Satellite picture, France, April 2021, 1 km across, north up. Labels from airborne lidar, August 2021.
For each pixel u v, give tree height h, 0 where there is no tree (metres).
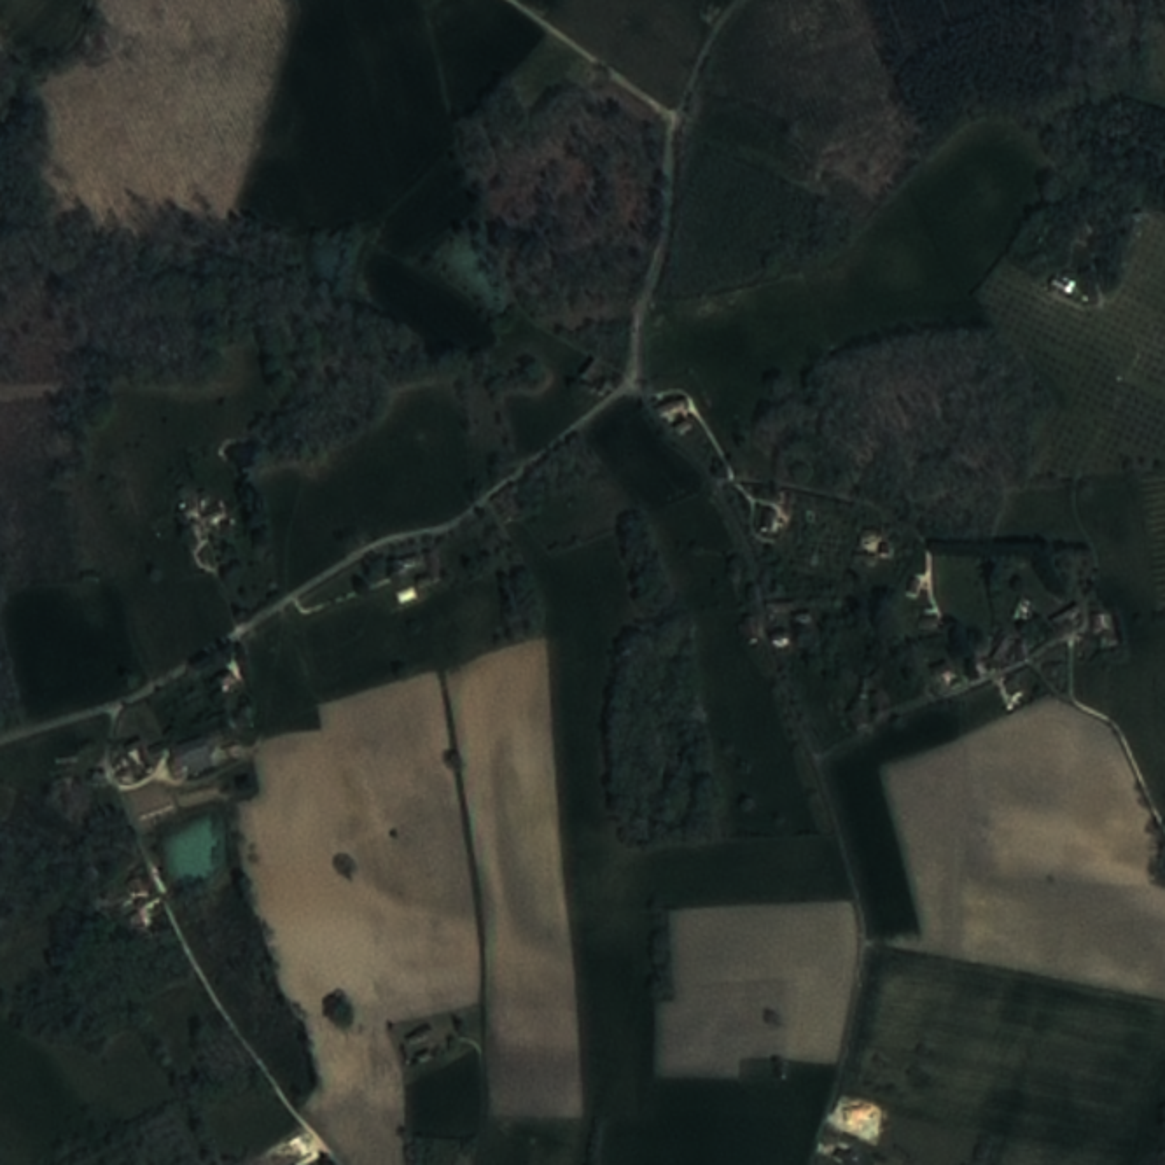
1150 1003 0
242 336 11
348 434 11
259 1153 0
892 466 21
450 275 7
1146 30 18
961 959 0
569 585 0
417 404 0
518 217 10
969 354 23
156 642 0
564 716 0
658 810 16
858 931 0
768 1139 0
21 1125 0
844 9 0
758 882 0
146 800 0
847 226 19
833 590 9
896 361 17
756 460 0
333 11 0
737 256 13
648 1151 0
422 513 0
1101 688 0
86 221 20
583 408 0
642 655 28
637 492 0
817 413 10
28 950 0
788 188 14
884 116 0
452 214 0
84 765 0
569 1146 0
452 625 0
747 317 0
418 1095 0
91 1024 17
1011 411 24
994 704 0
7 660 14
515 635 12
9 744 0
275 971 18
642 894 0
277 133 0
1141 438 8
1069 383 6
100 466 0
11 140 23
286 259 22
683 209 14
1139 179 16
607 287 15
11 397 0
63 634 0
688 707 17
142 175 0
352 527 0
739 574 8
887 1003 0
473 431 11
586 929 0
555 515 0
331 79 0
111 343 16
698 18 0
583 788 0
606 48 0
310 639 0
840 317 0
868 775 0
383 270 0
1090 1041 0
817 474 7
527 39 0
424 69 0
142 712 0
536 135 16
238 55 0
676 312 0
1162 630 0
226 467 0
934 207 0
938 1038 0
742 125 6
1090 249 11
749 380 0
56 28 0
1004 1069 0
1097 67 21
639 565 14
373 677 0
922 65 17
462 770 15
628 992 0
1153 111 14
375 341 27
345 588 0
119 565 0
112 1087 0
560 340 8
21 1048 0
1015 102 20
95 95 0
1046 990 0
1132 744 0
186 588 0
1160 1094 0
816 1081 0
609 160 15
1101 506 0
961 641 19
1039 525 0
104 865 9
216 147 0
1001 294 7
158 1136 11
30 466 0
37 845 16
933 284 0
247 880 15
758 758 0
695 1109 0
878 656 9
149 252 20
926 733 0
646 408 9
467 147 18
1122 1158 0
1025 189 0
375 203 0
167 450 0
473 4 0
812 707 0
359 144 0
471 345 0
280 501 0
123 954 27
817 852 0
